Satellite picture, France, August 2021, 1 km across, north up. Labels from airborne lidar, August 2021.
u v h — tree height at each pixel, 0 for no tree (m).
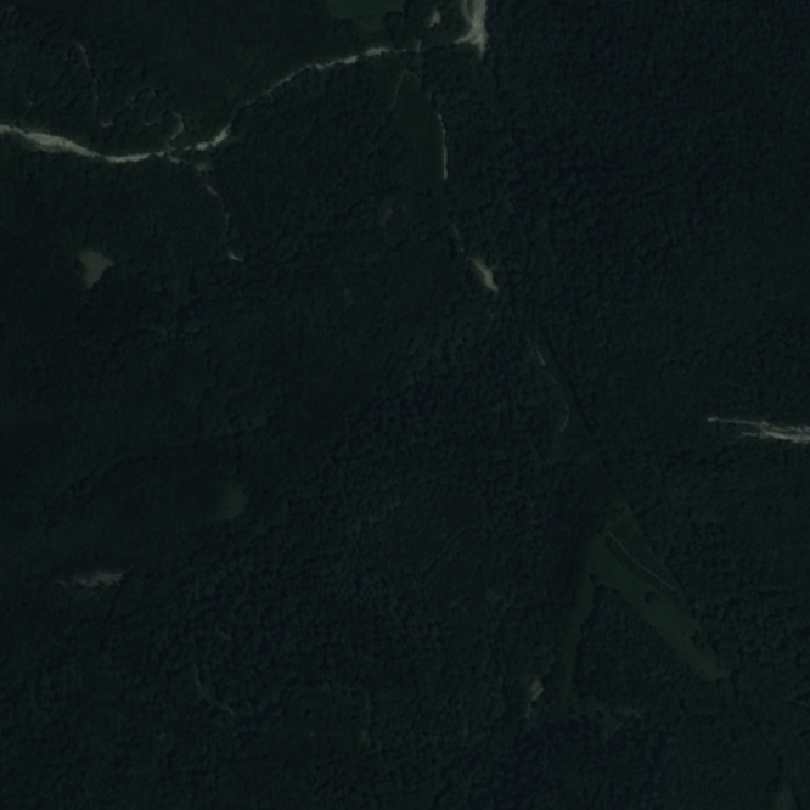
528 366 18
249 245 16
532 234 26
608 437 18
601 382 22
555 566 27
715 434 17
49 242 16
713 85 27
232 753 32
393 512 18
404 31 21
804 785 19
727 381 20
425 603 19
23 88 18
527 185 25
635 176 29
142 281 19
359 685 19
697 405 18
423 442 24
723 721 7
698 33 28
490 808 23
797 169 26
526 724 22
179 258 18
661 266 27
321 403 16
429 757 26
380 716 24
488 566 21
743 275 24
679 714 25
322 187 15
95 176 24
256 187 19
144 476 25
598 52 26
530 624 24
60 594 34
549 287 24
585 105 30
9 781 29
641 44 25
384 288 24
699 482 28
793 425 10
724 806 11
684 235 23
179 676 22
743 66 30
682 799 14
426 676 25
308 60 20
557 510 28
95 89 18
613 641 20
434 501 20
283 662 25
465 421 24
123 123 17
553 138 14
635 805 25
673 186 22
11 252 26
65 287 27
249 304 26
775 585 29
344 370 27
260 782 25
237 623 23
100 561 29
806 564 26
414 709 24
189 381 28
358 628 22
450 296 26
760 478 25
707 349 22
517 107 19
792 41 31
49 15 16
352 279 23
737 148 29
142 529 20
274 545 23
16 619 23
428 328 27
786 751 20
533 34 24
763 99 25
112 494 18
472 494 22
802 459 22
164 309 26
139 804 25
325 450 22
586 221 29
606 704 25
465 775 26
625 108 29
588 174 26
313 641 30
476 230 22
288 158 16
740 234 24
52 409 23
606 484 9
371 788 6
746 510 29
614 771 28
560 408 19
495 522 27
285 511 26
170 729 30
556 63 29
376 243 22
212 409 27
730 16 33
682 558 20
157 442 24
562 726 7
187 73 11
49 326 25
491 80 12
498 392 21
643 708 28
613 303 21
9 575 25
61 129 9
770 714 24
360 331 29
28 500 23
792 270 17
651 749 22
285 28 19
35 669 25
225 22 14
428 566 17
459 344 26
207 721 27
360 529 20
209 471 24
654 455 23
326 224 19
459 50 14
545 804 29
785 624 24
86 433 24
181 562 15
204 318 32
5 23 14
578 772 23
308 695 20
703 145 28
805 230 16
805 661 27
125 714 34
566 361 16
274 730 27
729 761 17
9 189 24
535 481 27
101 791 26
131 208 12
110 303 22
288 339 22
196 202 11
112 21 16
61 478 25
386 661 24
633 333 24
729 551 25
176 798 25
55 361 26
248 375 25
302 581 22
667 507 20
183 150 12
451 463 22
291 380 18
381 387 20
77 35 22
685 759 16
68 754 32
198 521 21
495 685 26
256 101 7
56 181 25
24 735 33
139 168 15
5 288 29
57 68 19
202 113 16
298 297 28
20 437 23
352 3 0
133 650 35
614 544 8
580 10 32
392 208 19
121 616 22
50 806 33
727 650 25
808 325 31
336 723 23
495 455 13
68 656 24
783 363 27
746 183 24
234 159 14
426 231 21
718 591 27
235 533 15
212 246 21
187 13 13
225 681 28
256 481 16
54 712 32
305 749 25
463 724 29
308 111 14
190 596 30
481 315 19
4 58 17
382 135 25
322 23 21
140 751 27
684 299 23
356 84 14
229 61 13
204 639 19
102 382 27
